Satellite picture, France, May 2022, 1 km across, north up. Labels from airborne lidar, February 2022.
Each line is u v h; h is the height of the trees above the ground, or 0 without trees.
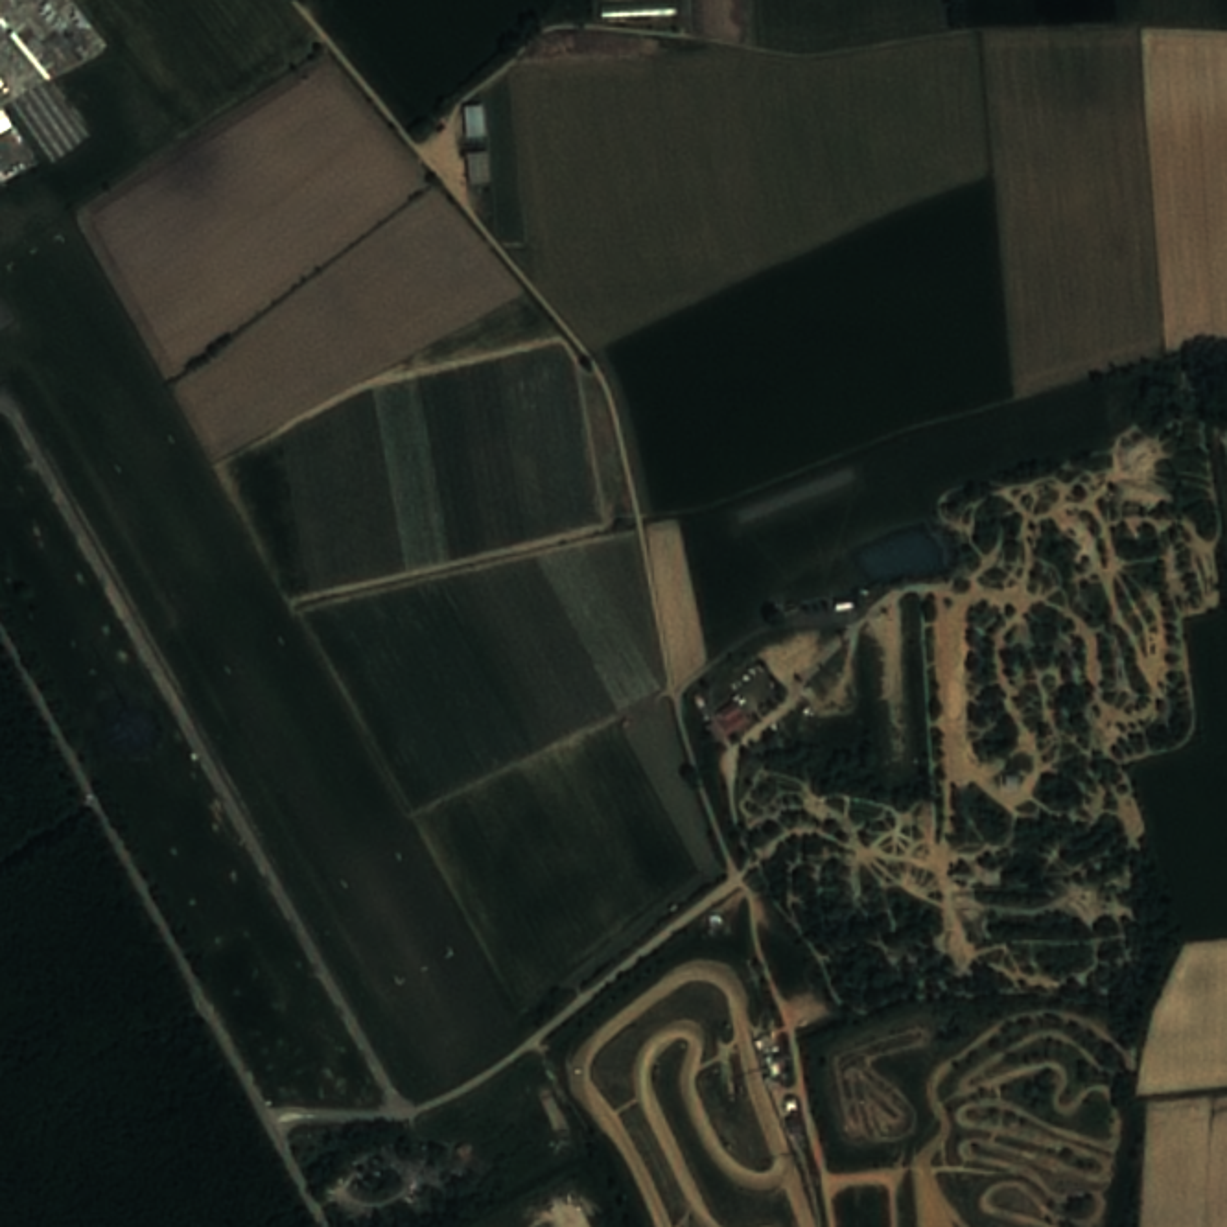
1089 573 0
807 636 0
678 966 0
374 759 0
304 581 0
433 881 0
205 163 0
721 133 0
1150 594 0
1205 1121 0
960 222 0
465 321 0
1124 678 0
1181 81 0
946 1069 0
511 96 0
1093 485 0
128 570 0
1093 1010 12
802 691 0
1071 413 0
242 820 0
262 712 0
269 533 0
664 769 0
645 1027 0
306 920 0
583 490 0
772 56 0
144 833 0
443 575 0
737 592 0
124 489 0
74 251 0
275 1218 15
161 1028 7
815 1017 0
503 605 0
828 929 10
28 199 0
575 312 0
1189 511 8
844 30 0
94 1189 0
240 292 0
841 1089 0
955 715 0
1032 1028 8
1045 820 7
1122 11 0
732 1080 0
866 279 0
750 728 0
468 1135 0
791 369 0
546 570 0
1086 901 0
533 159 0
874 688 0
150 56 0
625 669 0
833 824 7
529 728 0
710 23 0
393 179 0
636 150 0
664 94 0
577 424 0
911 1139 0
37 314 0
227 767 0
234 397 0
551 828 0
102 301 0
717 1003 0
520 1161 0
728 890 0
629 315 0
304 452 0
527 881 0
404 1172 0
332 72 0
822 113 0
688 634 0
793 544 0
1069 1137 0
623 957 0
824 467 0
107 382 0
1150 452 0
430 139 0
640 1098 0
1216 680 0
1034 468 9
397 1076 0
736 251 0
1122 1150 0
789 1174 0
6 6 0
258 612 0
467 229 0
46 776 18
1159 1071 0
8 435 0
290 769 0
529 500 0
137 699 0
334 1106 0
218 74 0
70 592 0
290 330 0
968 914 0
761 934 0
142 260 0
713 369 0
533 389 0
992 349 0
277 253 0
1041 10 0
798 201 0
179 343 0
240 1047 0
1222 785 0
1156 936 9
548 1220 0
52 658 0
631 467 0
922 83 0
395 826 0
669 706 0
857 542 0
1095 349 0
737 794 0
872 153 0
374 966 0
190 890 0
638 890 0
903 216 0
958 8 8
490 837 0
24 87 0
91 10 0
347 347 0
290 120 0
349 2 0
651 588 0
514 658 0
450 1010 0
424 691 0
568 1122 0
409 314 0
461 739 0
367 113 0
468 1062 0
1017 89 0
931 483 0
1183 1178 0
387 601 0
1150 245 0
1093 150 0
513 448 0
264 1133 9
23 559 0
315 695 0
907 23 0
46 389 0
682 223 0
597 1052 0
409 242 0
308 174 0
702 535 0
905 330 0
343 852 0
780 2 0
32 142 0
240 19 0
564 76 0
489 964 0
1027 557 0
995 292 0
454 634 0
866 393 0
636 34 0
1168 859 0
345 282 0
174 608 0
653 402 0
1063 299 0
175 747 0
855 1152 0
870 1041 0
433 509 0
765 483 0
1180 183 0
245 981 0
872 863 0
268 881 0
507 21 0
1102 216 0
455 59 0
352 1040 0
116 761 0
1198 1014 0
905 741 0
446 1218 8
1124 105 0
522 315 0
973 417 0
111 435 0
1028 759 0
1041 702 0
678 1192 0
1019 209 0
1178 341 0
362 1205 0
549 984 0
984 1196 0
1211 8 0
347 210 0
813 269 0
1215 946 0
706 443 0
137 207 0
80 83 0
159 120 0
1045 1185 0
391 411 0
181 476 0
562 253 0
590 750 0
